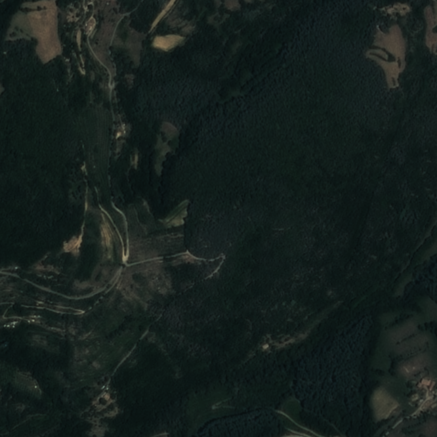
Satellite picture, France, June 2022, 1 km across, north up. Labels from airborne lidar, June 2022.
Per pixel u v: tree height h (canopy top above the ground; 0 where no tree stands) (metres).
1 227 16
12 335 6
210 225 12
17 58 15
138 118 16
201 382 16
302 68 17
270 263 7
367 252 15
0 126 21
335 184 12
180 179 21
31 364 12
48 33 0
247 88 17
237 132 19
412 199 13
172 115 17
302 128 11
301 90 17
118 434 10
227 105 17
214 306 12
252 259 15
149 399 9
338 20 18
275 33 20
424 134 8
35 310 7
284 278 11
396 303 18
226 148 21
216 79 14
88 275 9
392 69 0
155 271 0
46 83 18
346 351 27
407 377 0
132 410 12
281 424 24
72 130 18
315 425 11
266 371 25
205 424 0
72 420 13
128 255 0
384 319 0
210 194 13
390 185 12
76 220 16
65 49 10
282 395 7
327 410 18
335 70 17
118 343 0
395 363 8
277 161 17
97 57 0
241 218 12
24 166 20
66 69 9
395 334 0
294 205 8
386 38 0
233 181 17
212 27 11
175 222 0
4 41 8
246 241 16
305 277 8
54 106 21
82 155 15
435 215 10
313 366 29
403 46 0
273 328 10
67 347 6
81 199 13
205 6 8
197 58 13
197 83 15
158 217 12
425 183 13
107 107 7
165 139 9
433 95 7
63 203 20
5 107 17
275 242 8
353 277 17
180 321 11
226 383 7
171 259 6
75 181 21
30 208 13
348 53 18
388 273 12
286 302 14
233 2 0
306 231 11
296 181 14
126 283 0
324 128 12
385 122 10
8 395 10
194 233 11
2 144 22
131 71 8
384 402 0
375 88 13
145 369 8
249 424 26
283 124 14
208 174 20
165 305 7
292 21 9
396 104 8
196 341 9
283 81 18
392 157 13
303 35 21
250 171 20
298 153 13
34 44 9
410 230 11
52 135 18
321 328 15
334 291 12
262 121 12
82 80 11
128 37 0
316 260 15
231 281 14
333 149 10
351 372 26
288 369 32
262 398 8
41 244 7
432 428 0
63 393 16
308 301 11
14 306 13
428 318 0
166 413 23
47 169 22
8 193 10
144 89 10
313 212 14
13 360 15
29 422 9
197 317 12
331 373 29
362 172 12
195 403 0
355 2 20
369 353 21
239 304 17
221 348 15
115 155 10
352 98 15
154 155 18
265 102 20
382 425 8
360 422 17
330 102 16
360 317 22
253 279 17
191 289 10
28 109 21
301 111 13
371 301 9
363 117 10
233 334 14
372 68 11
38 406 14
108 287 6
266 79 13
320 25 22
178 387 10
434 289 27
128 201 8
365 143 10
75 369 0
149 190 12
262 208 13
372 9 13
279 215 9
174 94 22
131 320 12
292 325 7
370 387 13
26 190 17
